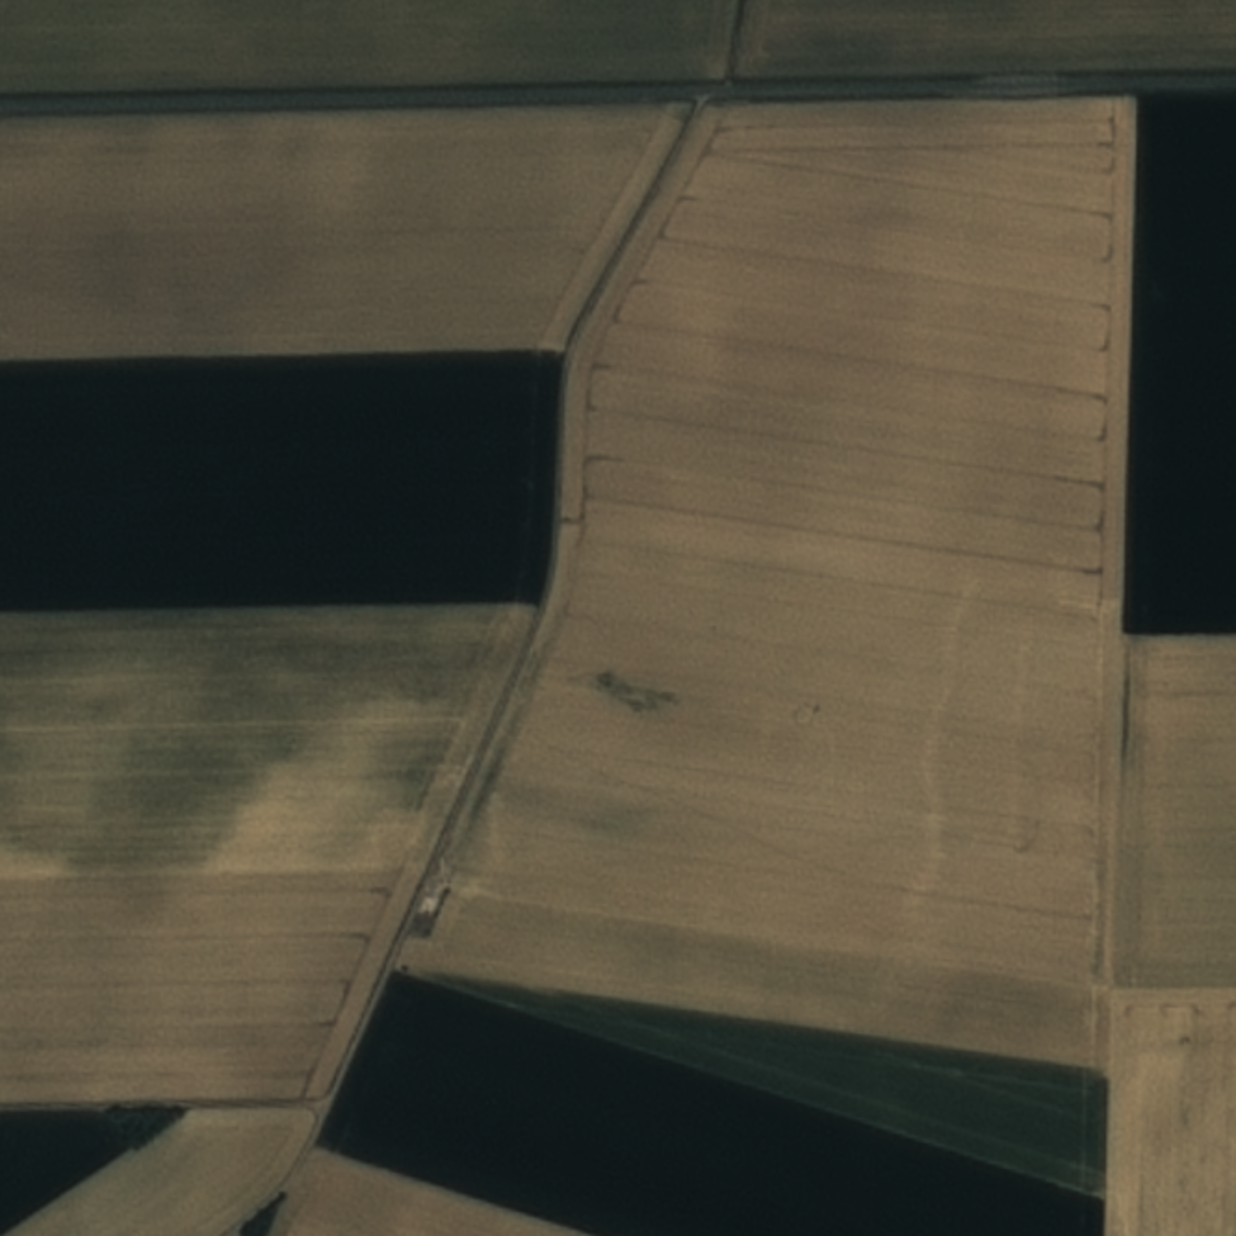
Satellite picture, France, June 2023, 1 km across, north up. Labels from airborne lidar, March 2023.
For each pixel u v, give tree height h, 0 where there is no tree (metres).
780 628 0
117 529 0
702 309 0
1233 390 0
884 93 0
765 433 0
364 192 0
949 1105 0
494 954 0
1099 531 0
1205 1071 0
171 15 0
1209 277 0
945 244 0
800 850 0
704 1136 0
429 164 0
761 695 0
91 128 0
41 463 0
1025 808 0
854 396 0
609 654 0
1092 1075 0
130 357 0
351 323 0
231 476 0
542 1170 0
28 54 0
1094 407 0
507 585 0
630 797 0
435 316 0
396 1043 0
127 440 0
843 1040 0
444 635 0
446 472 0
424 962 0
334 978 0
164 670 0
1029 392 0
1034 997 0
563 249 0
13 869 0
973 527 0
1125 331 0
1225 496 0
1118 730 0
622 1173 0
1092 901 0
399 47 0
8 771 0
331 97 0
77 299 0
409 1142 0
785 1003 0
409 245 0
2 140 0
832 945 0
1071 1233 0
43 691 0
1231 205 0
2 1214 0
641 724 0
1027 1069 0
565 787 0
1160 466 0
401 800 0
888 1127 0
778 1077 0
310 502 0
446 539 0
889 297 0
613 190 0
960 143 0
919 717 0
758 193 0
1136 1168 0
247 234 0
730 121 0
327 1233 0
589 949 0
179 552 0
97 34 0
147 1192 0
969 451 0
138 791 0
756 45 0
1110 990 0
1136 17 0
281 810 0
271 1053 0
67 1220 0
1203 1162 0
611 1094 0
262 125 0
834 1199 0
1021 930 0
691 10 0
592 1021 0
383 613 0
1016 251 0
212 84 0
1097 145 0
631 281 0
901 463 0
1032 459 0
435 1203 0
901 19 0
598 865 0
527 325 0
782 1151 0
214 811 0
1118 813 0
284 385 0
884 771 0
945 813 0
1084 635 0
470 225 0
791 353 0
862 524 0
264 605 0
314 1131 0
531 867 0
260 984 0
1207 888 0
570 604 0
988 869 0
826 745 0
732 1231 0
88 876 0
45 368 0
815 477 0
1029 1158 0
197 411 0
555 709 0
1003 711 0
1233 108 0
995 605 0
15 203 0
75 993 0
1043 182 0
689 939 0
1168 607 0
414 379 0
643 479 0
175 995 0
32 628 0
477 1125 0
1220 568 0
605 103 0
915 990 0
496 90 0
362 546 0
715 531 0
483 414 0
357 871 0
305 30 0
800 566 0
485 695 0
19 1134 0
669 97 0
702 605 0
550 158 0
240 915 0
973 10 0
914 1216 0
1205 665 0
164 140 0
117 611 0
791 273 0
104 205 0
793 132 0
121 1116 8
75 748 0
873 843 0
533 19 0
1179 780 0
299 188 0
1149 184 0
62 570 0
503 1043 0
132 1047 0
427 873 0
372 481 0
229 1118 0
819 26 0
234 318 0
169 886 0
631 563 0
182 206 0
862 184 0
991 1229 0
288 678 0
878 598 0
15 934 0
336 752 0
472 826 0
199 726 0
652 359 0
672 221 0
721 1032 0
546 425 0
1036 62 0
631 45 0
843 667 0
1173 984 0
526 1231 0
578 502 0
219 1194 0
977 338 0
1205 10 0
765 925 0
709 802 0
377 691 0
